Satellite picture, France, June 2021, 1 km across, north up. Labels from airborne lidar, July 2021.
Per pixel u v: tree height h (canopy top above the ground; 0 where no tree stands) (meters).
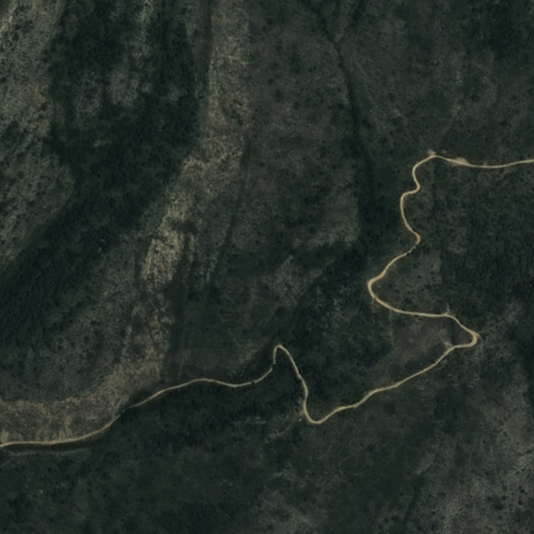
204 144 0
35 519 0
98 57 8
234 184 0
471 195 0
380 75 0
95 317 0
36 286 9
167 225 0
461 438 0
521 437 0
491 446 0
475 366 0
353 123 6
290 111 0
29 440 0
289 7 0
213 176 0
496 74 0
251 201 0
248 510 0
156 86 8
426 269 0
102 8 6
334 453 0
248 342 0
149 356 0
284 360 7
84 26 7
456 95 0
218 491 0
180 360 0
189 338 0
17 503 13
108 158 6
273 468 0
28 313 7
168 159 7
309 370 8
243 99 0
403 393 0
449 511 0
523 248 6
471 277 9
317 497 0
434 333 0
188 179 0
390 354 0
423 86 0
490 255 10
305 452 0
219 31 0
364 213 7
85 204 6
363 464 0
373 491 0
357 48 0
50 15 0
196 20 0
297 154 0
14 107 0
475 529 0
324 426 0
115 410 0
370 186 10
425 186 0
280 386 0
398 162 0
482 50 6
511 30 5
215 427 9
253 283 0
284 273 0
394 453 0
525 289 8
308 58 0
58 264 10
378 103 0
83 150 7
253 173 0
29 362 0
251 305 0
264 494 0
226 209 0
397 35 0
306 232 0
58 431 0
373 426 0
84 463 5
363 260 7
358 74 0
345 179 0
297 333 6
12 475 0
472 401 0
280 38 0
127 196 7
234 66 0
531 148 0
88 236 7
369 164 9
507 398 0
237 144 0
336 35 0
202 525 7
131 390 0
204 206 0
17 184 0
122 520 7
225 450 0
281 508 0
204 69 0
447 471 0
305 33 0
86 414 0
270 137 0
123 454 0
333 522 0
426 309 0
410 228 0
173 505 0
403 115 0
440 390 0
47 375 0
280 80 0
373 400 0
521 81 0
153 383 0
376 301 0
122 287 0
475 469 0
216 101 0
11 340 9
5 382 0
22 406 0
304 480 0
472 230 7
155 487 0
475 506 0
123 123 7
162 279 0
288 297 0
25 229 0
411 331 0
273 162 0
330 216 0
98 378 0
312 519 0
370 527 0
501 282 9
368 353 8
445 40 0
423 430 0
